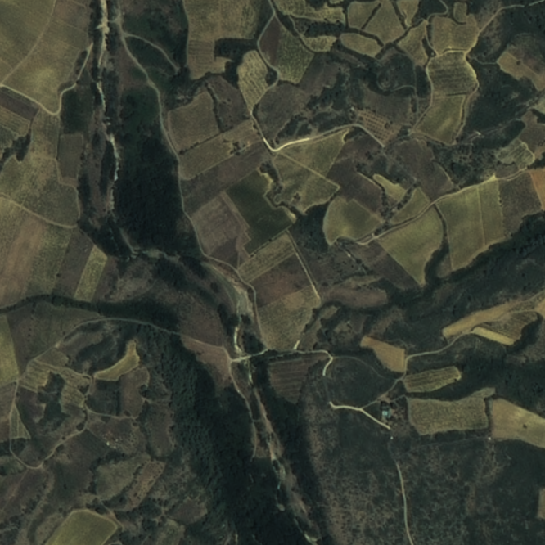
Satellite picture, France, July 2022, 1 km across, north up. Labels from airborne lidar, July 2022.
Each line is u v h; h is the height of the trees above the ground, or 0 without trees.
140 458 0
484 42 0
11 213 0
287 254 0
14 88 0
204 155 0
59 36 0
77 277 0
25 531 0
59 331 0
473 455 0
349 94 0
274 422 7
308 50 0
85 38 0
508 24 0
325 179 0
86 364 0
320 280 0
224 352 0
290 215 0
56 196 0
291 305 0
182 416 6
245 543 8
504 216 0
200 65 0
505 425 0
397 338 0
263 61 0
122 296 0
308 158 0
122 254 9
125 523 0
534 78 0
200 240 0
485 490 0
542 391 16
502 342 0
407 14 0
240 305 0
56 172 0
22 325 0
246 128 0
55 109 0
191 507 0
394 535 0
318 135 0
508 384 11
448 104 0
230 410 6
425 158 0
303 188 0
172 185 11
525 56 0
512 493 0
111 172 7
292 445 19
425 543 0
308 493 8
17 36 0
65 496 0
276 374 0
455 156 0
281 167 0
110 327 0
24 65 0
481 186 0
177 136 0
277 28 0
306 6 0
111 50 14
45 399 0
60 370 0
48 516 0
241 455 13
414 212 0
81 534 0
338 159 0
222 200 0
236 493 26
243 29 0
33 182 0
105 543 0
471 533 0
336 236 0
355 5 0
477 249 0
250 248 0
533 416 0
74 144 0
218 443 22
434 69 0
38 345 0
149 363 0
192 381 12
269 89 0
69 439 0
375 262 0
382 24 0
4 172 0
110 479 0
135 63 0
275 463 9
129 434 0
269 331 0
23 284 0
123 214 18
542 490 0
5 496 0
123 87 0
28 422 0
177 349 16
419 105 0
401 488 0
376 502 0
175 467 0
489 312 0
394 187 0
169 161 9
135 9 0
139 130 9
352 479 0
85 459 0
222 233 0
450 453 0
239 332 0
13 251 0
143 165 8
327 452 0
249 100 0
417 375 0
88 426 0
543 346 0
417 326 0
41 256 0
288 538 14
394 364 0
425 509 0
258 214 0
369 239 0
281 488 6
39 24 0
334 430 0
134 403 0
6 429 0
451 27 0
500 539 0
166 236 16
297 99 0
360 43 0
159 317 14
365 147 0
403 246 0
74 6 0
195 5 0
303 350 6
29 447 0
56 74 0
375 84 6
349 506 0
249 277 0
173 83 13
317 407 0
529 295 0
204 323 0
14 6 0
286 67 0
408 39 0
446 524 0
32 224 0
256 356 6
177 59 15
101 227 6
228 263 0
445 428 0
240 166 0
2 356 0
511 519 0
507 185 0
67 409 0
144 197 16
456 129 0
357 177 0
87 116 0
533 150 0
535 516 0
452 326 0
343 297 0
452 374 0
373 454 0
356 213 0
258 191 0
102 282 0
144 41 12
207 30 0
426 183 0
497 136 0
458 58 0
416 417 0
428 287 8
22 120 0
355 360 0
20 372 0
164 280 8
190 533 8
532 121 0
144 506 8
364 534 0
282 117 0
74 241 0
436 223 0
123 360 0
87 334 0
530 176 0
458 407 0
